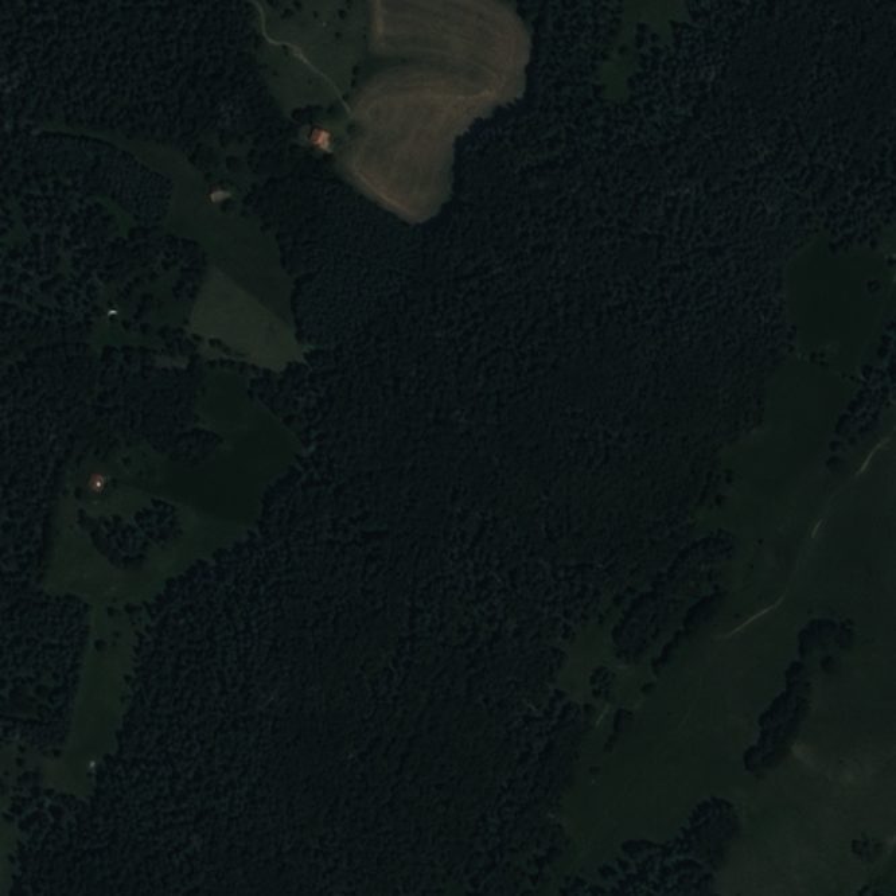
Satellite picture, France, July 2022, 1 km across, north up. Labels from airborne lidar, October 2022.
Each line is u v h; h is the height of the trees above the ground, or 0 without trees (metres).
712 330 28
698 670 0
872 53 24
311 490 26
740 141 23
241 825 17
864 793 0
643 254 24
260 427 0
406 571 22
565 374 20
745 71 22
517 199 22
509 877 16
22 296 25
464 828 21
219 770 14
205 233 0
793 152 27
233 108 22
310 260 21
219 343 14
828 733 0
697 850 23
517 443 21
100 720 0
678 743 0
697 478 20
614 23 14
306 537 27
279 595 24
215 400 0
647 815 0
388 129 0
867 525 0
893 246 0
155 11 33
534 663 24
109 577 0
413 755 24
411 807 26
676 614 13
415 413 17
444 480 18
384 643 23
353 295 26
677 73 23
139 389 24
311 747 23
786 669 0
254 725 22
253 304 0
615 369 23
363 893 18
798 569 0
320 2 0
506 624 28
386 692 20
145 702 21
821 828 0
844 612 0
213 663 18
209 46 24
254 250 0
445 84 0
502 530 27
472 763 23
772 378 10
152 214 24
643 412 20
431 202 0
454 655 28
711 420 18
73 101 16
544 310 20
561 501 24
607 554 26
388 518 22
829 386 0
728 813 23
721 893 0
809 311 0
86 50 15
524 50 0
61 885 17
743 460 0
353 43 0
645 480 22
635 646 15
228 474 0
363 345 27
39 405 21
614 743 12
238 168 17
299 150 15
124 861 19
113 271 20
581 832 0
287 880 18
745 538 0
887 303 0
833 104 22
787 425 0
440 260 24
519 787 23
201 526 0
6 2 22
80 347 21
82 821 15
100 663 0
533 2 20
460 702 23
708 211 22
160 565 0
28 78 27
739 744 0
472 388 19
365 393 22
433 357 19
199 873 22
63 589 0
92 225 20
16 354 11
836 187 22
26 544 26
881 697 0
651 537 24
